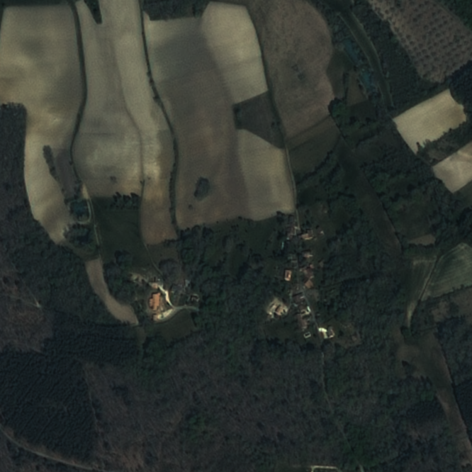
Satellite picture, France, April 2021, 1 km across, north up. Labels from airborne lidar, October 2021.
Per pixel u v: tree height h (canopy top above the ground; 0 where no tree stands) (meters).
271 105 0
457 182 0
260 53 0
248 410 12
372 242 23
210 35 0
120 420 13
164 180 0
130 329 16
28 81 0
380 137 11
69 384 21
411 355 0
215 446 11
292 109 0
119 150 0
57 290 15
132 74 0
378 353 24
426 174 20
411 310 0
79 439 18
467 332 17
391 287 16
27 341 13
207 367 16
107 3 0
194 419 18
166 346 14
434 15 8
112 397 17
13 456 12
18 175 17
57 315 20
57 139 0
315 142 0
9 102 0
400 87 6
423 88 11
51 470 16
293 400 17
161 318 0
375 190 16
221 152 0
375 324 19
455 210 10
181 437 7
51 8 0
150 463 17
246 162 0
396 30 10
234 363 19
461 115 0
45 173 0
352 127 20
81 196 19
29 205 24
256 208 0
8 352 17
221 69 0
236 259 0
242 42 0
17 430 21
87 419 20
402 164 10
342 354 21
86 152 0
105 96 0
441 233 20
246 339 25
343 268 20
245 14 0
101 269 0
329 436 13
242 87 0
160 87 0
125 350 19
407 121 0
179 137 0
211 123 0
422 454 16
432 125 0
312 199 0
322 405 22
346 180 0
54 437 21
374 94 10
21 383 21
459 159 0
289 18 0
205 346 16
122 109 0
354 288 23
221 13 0
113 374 13
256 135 0
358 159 0
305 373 18
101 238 0
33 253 21
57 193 0
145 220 0
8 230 12
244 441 14
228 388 12
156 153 0
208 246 16
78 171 0
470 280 0
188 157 0
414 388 22
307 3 0
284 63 0
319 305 6
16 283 6
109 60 0
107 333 19
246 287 21
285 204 0
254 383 18
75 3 0
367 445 14
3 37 0
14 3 0
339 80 0
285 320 12
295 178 0
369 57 0
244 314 19
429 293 0
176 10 22
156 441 17
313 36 0
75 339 25
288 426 16
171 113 0
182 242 15
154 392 14
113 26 0
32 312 6
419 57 10
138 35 0
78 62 0
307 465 17
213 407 11
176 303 0
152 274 0
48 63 0
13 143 21
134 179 0
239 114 15
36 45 0
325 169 17
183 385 16
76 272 20
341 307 9
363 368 21
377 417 17
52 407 19
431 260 0
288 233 0
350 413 17
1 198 16
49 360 21
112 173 0
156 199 0
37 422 21
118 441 14
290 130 0
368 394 16
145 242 0
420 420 20
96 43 0
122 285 16
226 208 0
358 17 10
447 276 0
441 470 17
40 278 20
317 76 0
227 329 18
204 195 18
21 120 24
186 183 0
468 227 22
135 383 17
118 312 0
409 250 19
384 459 23
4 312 14
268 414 15
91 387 12
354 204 19
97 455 15
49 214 0
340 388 23
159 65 0
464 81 24
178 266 19
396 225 22
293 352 15
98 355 22
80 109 0
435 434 17
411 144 0
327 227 0
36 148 0
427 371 0
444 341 22
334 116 22
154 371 20
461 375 9
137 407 19
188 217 0
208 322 18
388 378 23
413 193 23
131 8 0
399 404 25
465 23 16
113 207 8
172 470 9
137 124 0
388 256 10
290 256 6
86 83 0
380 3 8
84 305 20
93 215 0
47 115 0
